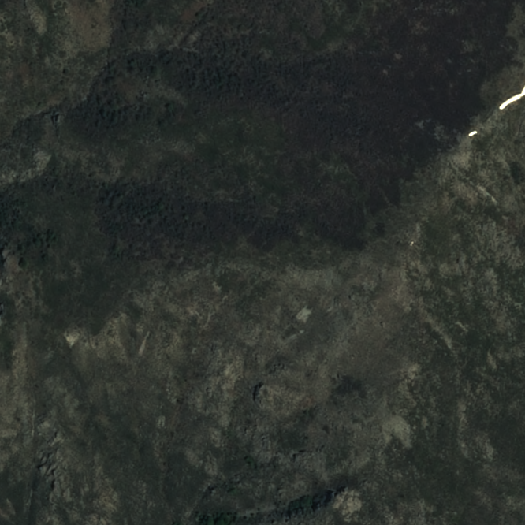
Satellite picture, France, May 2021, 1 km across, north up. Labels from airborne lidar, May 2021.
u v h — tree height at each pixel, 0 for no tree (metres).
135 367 0
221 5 9
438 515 0
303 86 7
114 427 0
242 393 0
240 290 0
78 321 0
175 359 0
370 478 0
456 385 0
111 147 0
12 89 0
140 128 0
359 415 0
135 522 0
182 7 0
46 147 0
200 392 0
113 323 0
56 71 0
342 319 0
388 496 0
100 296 0
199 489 0
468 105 0
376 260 0
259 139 0
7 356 0
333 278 0
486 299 0
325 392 0
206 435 0
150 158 0
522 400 0
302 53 8
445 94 0
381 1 0
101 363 0
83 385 0
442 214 0
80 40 0
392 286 0
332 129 6
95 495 0
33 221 0
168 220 9
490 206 0
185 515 0
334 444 0
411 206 0
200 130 0
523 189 0
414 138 0
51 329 0
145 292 0
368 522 0
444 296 0
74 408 0
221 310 0
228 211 8
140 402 0
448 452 0
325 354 0
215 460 0
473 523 0
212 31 11
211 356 0
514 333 0
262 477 0
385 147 0
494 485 0
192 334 0
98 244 0
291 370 0
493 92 0
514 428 0
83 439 0
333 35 0
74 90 0
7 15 0
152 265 0
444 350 0
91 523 0
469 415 0
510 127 0
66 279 0
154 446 0
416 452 0
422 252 0
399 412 0
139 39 0
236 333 0
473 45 0
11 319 0
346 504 0
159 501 0
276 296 0
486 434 0
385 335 0
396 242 0
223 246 0
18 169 0
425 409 0
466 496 0
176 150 0
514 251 0
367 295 0
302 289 0
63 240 0
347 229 0
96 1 0
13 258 0
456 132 0
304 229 0
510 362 0
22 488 0
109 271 0
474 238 0
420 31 0
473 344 0
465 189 0
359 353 0
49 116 0
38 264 0
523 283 0
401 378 0
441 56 0
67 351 0
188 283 0
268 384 0
